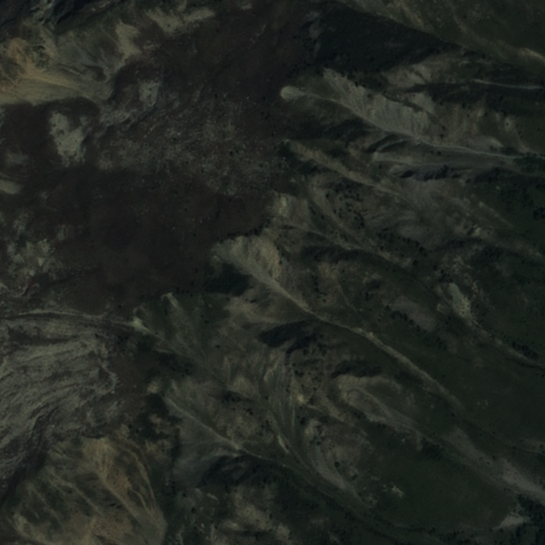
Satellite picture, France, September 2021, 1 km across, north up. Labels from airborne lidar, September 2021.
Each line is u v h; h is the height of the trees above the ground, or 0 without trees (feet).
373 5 0
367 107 0
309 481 0
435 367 0
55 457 0
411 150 0
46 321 0
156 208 0
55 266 0
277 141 0
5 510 0
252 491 0
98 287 0
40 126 0
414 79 0
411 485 0
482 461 0
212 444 0
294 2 0
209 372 0
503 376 0
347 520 18
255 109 0
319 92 0
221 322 0
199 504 0
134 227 0
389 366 0
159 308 0
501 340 0
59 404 0
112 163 0
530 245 0
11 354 0
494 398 0
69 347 0
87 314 0
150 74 0
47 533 0
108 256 0
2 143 0
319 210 0
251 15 0
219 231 0
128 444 0
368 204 0
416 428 0
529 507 24
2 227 0
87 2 0
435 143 0
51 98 0
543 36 0
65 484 0
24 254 0
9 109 0
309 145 0
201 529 0
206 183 0
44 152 0
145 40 0
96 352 0
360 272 0
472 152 0
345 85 0
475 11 0
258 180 0
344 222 0
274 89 0
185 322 0
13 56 0
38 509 0
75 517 0
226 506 0
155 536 0
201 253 0
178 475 0
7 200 0
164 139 0
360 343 0
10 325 0
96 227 0
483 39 0
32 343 0
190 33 0
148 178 0
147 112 0
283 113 0
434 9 0
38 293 0
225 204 0
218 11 0
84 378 0
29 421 0
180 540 0
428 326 0
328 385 0
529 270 0
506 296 0
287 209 0
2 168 0
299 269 0
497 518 0
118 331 0
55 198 0
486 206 0
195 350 0
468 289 0
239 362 0
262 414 0
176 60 0
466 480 0
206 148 0
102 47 0
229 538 0
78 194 0
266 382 0
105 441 0
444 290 0
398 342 0
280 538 0
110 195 0
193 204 0
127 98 0
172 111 0
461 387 0
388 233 0
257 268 0
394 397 0
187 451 0
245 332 0
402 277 0
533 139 0
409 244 39
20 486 0
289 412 0
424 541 0
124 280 0
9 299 0
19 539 0
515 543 23
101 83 0
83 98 0
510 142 0
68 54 0
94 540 0
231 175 0
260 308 0
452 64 0
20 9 0
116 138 0
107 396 0
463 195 0
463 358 0
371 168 0
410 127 0
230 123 0
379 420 0
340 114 0
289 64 0
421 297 0
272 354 0
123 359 0
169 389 0
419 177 0
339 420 0
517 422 0
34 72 0
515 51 0
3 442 0
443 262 0
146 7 0
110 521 0
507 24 0
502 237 0
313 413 0
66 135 0
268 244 0
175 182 0
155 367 0
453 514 0
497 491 0
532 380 0
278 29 0
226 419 0
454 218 0
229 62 0
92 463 0
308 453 0
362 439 0
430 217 0
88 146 0
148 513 0
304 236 0
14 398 0
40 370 0
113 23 0
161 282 0
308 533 0
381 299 0
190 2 0
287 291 0
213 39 0
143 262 0
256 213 0
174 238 0
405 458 0
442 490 0
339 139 25
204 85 0
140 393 0
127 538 0
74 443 0
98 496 0
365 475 0
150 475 0
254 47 0
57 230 0
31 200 0
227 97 0
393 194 0
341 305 0
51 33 0
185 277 0
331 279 0
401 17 0
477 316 0
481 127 0
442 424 0
